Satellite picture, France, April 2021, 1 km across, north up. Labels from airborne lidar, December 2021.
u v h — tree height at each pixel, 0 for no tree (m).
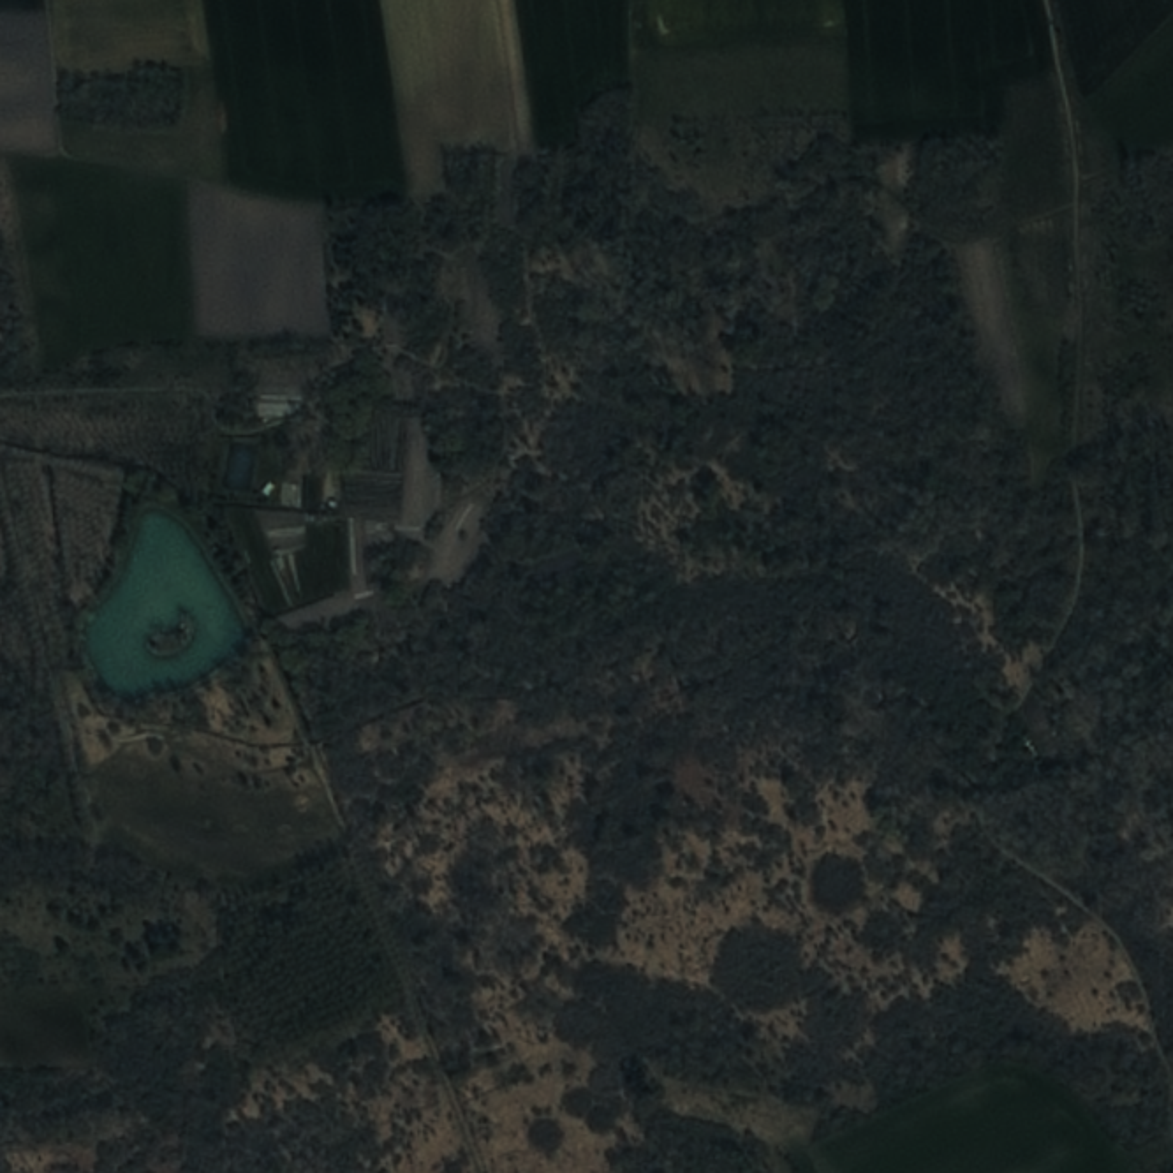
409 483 0
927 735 18
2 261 6
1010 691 6
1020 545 6
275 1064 21
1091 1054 11
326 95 0
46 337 0
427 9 0
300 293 0
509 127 0
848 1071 6
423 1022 14
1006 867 6
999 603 6
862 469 6
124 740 0
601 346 18
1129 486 24
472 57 0
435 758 16
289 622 0
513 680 7
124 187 0
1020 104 0
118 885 15
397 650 6
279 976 31
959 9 0
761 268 16
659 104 0
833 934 5
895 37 0
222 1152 8
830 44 0
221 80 0
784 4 0
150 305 0
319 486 0
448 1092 0
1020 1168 0
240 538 0
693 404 11
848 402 9
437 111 0
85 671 15
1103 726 8
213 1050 6
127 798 0
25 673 15
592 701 6
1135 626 22
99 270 0
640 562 11
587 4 0
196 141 0
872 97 0
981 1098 0
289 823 0
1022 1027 6
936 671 8
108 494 25
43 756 11
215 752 0
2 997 0
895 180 0
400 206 19
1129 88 0
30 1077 6
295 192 0
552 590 6
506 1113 0
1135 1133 7
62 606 23
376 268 13
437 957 12
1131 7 0
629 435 7
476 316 0
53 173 0
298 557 0
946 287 21
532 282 6
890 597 7
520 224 12
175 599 0
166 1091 8
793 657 8
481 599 7
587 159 17
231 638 0
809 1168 0
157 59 0
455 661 6
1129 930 6
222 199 0
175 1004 15
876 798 10
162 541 0
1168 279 0
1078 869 21
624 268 29
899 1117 0
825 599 8
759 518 10
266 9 0
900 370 5
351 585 0
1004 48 0
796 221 21
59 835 0
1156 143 0
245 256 0
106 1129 22
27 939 0
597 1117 6
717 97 0
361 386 18
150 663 0
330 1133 20
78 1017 0
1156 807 27
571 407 7
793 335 9
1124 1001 6
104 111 10
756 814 6
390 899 21
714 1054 12
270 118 0
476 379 7
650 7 0
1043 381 0
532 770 7
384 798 7
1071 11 0
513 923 7
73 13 0
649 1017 6
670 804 20
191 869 0
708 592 6
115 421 14
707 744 5
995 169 15
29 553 27
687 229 20
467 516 0
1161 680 22
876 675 7
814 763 6
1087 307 0
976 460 15
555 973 12
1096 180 0
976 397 11
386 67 0
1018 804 30
